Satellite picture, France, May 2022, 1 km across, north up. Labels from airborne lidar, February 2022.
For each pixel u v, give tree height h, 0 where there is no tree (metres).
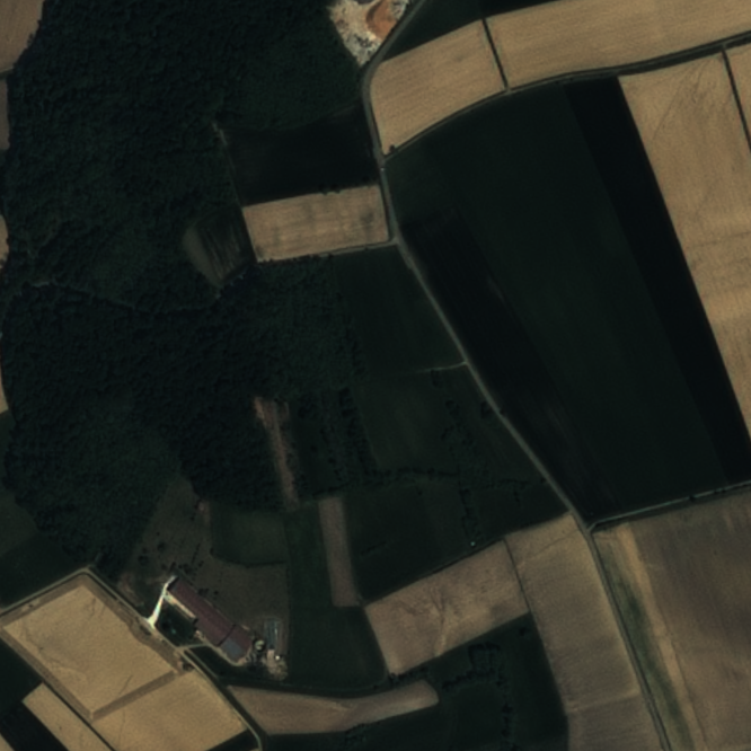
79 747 0
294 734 0
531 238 0
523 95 0
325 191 10
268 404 0
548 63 0
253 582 0
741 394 0
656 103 0
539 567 0
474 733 0
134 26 30
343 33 0
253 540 0
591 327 0
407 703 0
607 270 0
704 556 0
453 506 0
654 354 0
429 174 0
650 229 0
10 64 0
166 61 27
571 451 0
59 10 26
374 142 0
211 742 0
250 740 0
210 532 0
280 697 0
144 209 20
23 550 0
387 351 0
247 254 0
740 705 0
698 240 0
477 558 0
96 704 0
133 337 28
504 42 0
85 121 19
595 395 0
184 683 0
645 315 0
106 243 18
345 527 0
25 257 19
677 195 0
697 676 0
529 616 0
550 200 0
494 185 0
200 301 23
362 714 0
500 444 0
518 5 0
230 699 0
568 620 0
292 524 0
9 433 0
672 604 0
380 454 0
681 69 0
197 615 0
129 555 9
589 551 0
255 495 21
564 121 0
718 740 0
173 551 0
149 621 0
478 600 0
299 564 0
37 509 18
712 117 0
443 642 0
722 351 0
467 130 0
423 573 0
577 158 0
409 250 0
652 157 0
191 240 0
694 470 0
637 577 0
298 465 0
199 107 20
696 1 0
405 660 0
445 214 0
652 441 0
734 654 0
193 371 25
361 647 0
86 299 25
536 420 0
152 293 29
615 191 0
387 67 0
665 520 0
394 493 0
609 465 0
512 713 16
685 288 0
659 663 0
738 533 0
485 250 0
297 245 0
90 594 0
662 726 0
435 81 0
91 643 0
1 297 16
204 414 21
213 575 0
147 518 16
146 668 0
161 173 0
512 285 0
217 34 23
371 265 0
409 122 0
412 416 0
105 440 15
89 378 26
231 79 22
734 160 0
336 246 0
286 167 0
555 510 0
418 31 0
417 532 0
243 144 0
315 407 16
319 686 0
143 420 21
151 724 0
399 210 0
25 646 0
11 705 0
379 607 0
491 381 0
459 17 0
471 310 0
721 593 0
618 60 0
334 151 0
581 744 0
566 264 0
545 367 0
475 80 0
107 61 27
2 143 0
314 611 0
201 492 18
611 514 0
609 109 0
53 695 0
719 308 0
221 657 0
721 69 0
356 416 13
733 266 0
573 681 0
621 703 0
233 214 0
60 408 22
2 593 0
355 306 0
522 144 0
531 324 0
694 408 0
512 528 0
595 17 0
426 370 0
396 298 0
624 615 0
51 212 14
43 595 0
